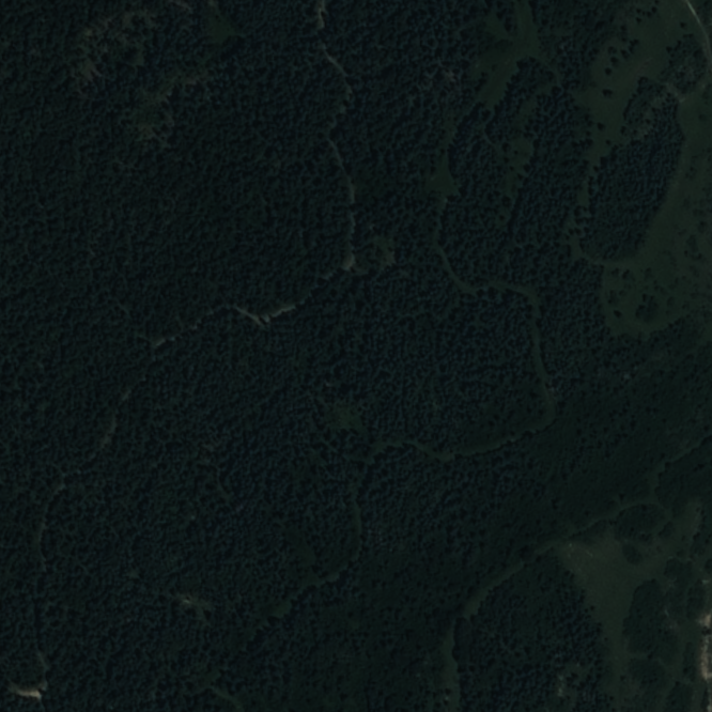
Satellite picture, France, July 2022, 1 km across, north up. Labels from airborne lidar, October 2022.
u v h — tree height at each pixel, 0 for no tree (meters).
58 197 18
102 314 10
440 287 20
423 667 10
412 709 6
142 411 7
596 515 7
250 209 30
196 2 26
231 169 22
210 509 11
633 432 6
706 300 0
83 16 27
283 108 30
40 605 29
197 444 19
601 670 13
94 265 25
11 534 8
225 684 17
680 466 6
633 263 0
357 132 28
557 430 6
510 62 0
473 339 26
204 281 18
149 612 26
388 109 18
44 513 19
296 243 29
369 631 7
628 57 19
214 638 26
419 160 6
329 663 17
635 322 0
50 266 18
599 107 0
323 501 21
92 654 25
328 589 6
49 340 16
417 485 11
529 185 21
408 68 21
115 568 22
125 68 25
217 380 24
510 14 28
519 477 20
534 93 18
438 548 17
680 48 9
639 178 20
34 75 24
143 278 19
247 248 25
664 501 6
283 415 26
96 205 17
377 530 16
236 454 16
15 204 26
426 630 8
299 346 23
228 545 20
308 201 21
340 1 23
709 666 0
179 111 29
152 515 20
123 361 16
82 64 20
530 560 21
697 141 0
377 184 8
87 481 24
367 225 26
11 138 18
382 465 19
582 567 0
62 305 21
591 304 14
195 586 17
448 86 18
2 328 21
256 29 27
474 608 0
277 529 26
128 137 32
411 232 7
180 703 24
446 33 30
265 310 21
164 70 33
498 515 6
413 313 18
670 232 0
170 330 9
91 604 32
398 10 7
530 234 19
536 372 8
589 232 18
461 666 8
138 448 21
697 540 9
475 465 14
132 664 30
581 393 10
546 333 14
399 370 22
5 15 21
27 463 24
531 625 23
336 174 24
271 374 15
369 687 15
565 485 6
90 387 22
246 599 15
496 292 18
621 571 0
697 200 0
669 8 0
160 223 17
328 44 33
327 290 26
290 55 24
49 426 11
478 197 19
